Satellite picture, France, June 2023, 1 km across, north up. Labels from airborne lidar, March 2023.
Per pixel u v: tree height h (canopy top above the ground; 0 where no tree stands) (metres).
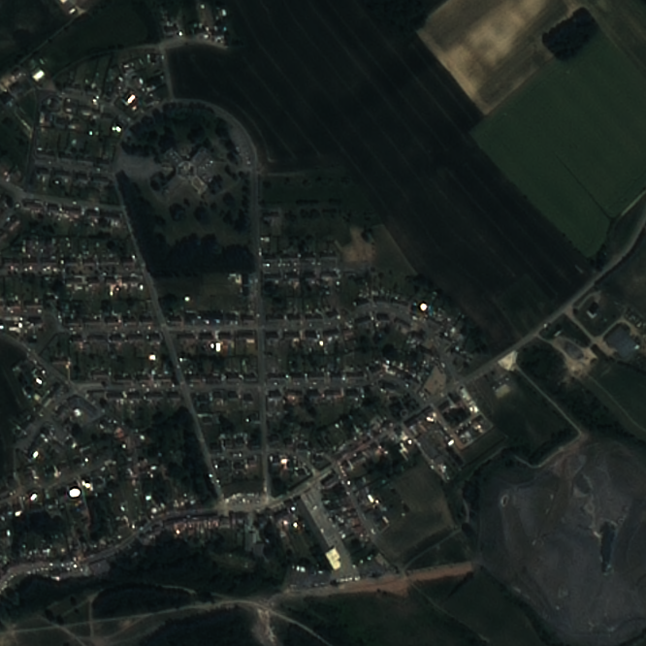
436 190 0
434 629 0
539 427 0
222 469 0
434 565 0
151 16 6
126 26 0
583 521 0
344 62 0
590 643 0
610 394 0
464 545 0
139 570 15
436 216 0
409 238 0
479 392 0
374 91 0
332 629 11
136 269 0
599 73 0
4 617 19
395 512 0
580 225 0
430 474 0
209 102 0
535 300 0
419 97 0
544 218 0
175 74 0
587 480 0
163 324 0
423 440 0
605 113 0
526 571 0
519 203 0
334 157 0
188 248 29
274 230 0
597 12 0
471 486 12
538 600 0
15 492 0
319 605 8
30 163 0
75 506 0
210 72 0
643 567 0
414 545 0
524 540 0
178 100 0
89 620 0
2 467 0
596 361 0
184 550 15
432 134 0
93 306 0
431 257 0
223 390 0
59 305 7
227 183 0
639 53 0
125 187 27
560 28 12
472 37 0
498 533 0
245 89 0
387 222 0
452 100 0
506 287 0
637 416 0
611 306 0
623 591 0
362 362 0
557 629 0
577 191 0
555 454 0
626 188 0
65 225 0
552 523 0
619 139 0
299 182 0
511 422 0
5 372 0
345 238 0
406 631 0
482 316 0
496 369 0
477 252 0
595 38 0
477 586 0
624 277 0
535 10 0
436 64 0
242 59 0
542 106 0
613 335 0
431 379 0
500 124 0
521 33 0
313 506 0
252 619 0
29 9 0
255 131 0
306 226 0
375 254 0
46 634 0
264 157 0
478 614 0
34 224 10
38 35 0
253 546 0
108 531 8
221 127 15
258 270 0
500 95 0
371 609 0
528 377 0
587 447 0
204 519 0
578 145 0
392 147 0
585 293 0
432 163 0
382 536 0
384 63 0
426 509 0
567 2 0
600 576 0
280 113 0
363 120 0
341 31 0
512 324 0
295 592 0
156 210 0
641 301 0
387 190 0
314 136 0
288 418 8
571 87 0
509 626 0
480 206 0
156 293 0
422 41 0
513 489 0
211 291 0
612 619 0
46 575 0
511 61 0
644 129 0
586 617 0
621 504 0
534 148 0
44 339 0
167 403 0
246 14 0
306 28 0
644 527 0
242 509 0
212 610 0
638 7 0
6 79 0
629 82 0
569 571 0
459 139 0
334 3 0
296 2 0
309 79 0
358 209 0
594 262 8
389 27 17
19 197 0
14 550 12
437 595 0
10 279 0
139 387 0
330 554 0
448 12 0
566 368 0
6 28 0
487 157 0
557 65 0
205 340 0
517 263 0
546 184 0
